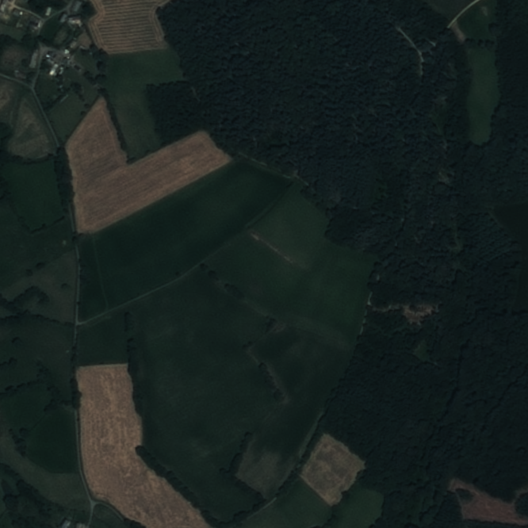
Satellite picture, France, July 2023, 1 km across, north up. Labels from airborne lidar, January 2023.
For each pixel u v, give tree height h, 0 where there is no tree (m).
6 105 0
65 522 0
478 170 22
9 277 0
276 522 0
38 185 0
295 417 0
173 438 0
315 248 0
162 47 0
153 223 0
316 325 0
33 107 0
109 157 0
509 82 10
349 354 0
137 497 0
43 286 0
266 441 0
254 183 0
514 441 27
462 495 10
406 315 17
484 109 0
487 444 22
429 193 25
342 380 13
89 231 10
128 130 0
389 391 6
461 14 0
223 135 20
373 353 8
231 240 0
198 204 0
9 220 0
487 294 18
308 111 26
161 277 0
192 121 15
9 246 0
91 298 0
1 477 0
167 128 13
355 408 23
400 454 20
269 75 26
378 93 31
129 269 0
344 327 0
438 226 23
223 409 0
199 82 19
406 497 27
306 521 0
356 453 17
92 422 0
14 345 15
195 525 0
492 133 0
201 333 0
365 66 22
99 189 0
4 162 7
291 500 0
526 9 10
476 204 24
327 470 0
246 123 27
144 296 0
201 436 0
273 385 12
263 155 19
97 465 0
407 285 30
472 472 16
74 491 0
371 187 29
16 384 0
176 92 17
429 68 24
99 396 0
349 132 27
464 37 0
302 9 25
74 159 0
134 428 0
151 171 0
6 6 0
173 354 0
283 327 11
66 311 0
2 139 9
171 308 0
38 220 0
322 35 23
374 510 0
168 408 0
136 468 0
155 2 0
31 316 8
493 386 22
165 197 0
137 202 0
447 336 22
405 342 16
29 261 0
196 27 25
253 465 0
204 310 0
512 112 20
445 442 10
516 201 18
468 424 17
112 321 0
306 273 0
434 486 15
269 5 28
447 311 22
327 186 29
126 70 0
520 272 16
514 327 23
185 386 0
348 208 15
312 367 0
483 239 21
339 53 31
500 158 26
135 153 0
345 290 0
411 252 33
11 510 17
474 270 14
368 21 37
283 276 0
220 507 0
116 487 0
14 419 0
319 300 0
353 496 0
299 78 27
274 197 0
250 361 0
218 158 0
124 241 0
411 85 20
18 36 0
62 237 0
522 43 7
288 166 22
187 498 16
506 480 28
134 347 10
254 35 26
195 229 0
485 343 23
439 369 26
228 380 0
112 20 0
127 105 0
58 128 0
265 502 9
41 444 0
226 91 21
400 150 29
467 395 30
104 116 0
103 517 0
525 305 0
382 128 32
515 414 30
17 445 10
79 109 0
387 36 34
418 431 28
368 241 17
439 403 14
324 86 11
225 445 0
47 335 0
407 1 17
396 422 22
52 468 0
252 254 0
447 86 27
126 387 0
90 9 15
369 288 12
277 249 0
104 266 0
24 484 21
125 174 0
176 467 0
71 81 0
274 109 23
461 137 20
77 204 0
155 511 0
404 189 19
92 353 0
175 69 0
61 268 0
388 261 29
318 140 27
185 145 0
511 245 18
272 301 0
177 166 0
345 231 16
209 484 0
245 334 0
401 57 21
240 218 0
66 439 0
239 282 0
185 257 0
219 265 0
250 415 0
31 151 0
